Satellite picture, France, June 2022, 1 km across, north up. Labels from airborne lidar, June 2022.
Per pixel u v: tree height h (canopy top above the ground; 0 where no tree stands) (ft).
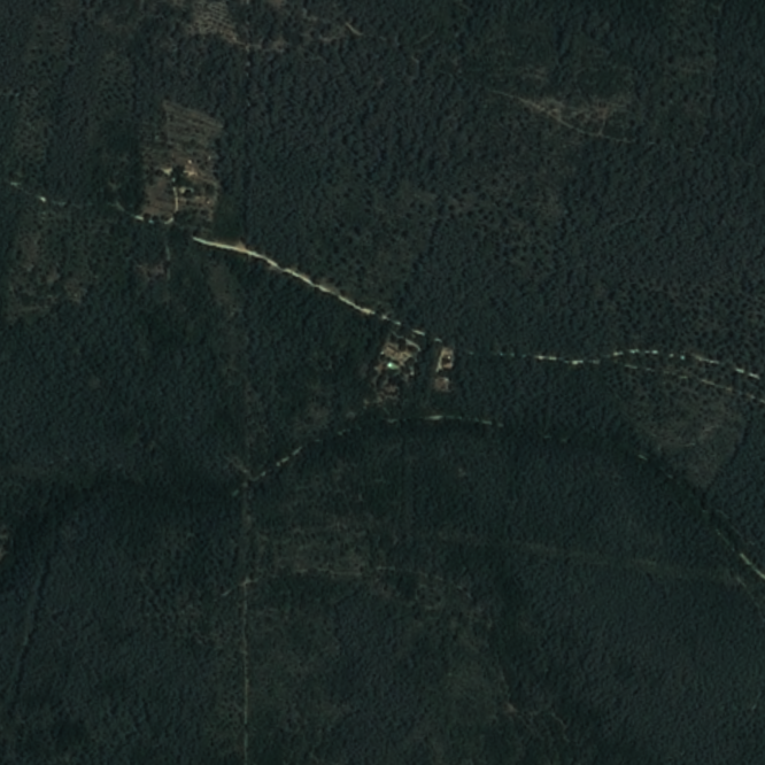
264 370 61
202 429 50
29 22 65
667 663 60
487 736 36
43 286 25
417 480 31
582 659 32
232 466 39
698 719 57
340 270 68
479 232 24
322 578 24
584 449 47
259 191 68
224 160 58
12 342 57
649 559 59
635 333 44
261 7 48
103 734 29
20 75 57
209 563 40
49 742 57
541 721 21
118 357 62
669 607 56
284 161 52
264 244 63
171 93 68
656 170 62
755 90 30
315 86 70
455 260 68
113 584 58
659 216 68
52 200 58
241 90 17
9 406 38
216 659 52
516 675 51
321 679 26
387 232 38
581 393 51
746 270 60
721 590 35
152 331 38
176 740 53
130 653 57
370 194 61
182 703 43
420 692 23
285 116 72
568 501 53
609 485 41
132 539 40
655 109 51
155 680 56
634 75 27
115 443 50
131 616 60
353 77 56
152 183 32
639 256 45
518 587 42
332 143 82
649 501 44
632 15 48
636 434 28
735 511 55
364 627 47
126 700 41
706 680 34
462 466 28
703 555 48
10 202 65
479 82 27
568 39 72
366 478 23
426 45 24
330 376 32
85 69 52
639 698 63
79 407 63
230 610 33
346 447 36
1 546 53
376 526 31
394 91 72
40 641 60
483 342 63
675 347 50
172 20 49
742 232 73
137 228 64
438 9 60
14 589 42
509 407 67
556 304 57
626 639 51
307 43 52
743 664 37
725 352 53
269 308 35
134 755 47
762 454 57
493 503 33
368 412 24
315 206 62
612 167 57
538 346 52
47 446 51
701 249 50
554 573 45
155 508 41
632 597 34
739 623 42
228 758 25
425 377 53
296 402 27
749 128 45
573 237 62
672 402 57
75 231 42
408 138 65
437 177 61
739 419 31
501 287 63
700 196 59
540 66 20
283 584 30
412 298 68
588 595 26
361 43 50
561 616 49
